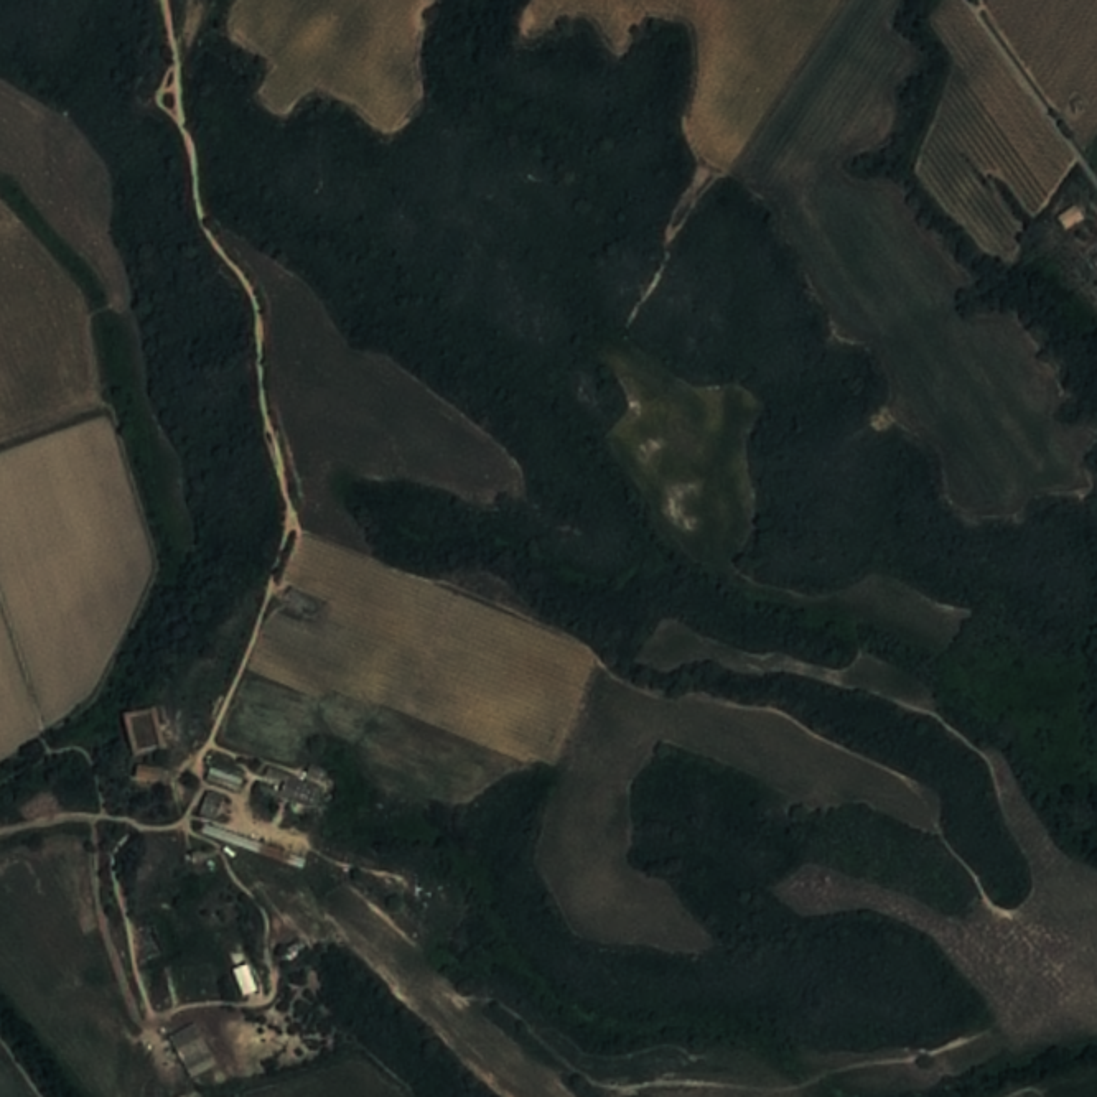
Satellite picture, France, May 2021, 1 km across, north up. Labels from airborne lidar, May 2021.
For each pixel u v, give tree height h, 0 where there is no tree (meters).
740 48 0
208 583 14
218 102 7
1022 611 8
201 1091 6
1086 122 0
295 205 6
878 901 0
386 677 0
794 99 0
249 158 5
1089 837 13
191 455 7
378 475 0
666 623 0
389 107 0
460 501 8
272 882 0
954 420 0
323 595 0
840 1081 0
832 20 0
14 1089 0
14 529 0
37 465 0
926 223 9
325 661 0
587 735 0
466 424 0
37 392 0
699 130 0
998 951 0
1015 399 0
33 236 0
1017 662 6
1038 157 0
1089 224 7
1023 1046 0
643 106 9
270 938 0
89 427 0
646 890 0
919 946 7
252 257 0
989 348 0
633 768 0
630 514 6
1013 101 0
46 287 0
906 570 7
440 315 6
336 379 0
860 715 7
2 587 0
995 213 0
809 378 6
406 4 0
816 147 0
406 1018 7
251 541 6
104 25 6
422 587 0
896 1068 0
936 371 0
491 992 0
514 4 8
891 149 7
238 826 0
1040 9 0
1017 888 6
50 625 0
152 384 9
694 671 9
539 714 0
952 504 0
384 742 0
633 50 6
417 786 0
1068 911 0
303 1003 8
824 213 0
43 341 0
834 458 0
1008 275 5
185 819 0
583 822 0
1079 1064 11
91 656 0
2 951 0
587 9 0
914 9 13
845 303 0
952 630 0
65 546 0
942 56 7
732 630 6
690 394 0
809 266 0
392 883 0
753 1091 0
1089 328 7
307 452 0
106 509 0
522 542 6
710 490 0
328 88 0
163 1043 0
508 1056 0
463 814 6
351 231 7
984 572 6
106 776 10
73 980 0
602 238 6
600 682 0
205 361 6
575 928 0
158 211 7
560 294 6
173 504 0
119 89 6
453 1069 6
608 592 9
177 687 0
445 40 7
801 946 8
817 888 0
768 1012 7
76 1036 0
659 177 8
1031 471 0
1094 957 0
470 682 0
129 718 0
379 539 13
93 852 7
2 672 0
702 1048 8
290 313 0
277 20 0
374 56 0
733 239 6
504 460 0
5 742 0
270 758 0
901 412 0
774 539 9
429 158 0
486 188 0
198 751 0
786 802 0
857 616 0
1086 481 0
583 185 6
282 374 0
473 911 8
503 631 0
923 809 0
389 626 0
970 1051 0
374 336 6
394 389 0
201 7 0
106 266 0
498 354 9
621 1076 0
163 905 0
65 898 0
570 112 8
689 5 0
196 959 0
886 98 0
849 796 0
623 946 0
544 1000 7
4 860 0
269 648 0
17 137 0
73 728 9
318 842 0
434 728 0
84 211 0
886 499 7
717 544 0
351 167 7
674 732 0
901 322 0
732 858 6
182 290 6
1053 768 6
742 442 0
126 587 0
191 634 13
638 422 0
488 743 0
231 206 10
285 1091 0
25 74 5
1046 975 0
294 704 0
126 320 0
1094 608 9
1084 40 0
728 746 0
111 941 0
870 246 0
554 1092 0
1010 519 0
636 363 0
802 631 7
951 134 0
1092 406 10
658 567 5
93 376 0
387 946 0
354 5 0
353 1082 0
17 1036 16
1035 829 0
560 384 6
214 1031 0
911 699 0
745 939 8
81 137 0
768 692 10
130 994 0
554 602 8
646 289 0
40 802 0
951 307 0
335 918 0
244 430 8
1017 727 6
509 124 7
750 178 0
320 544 0
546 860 0
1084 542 9
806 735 0
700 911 5
